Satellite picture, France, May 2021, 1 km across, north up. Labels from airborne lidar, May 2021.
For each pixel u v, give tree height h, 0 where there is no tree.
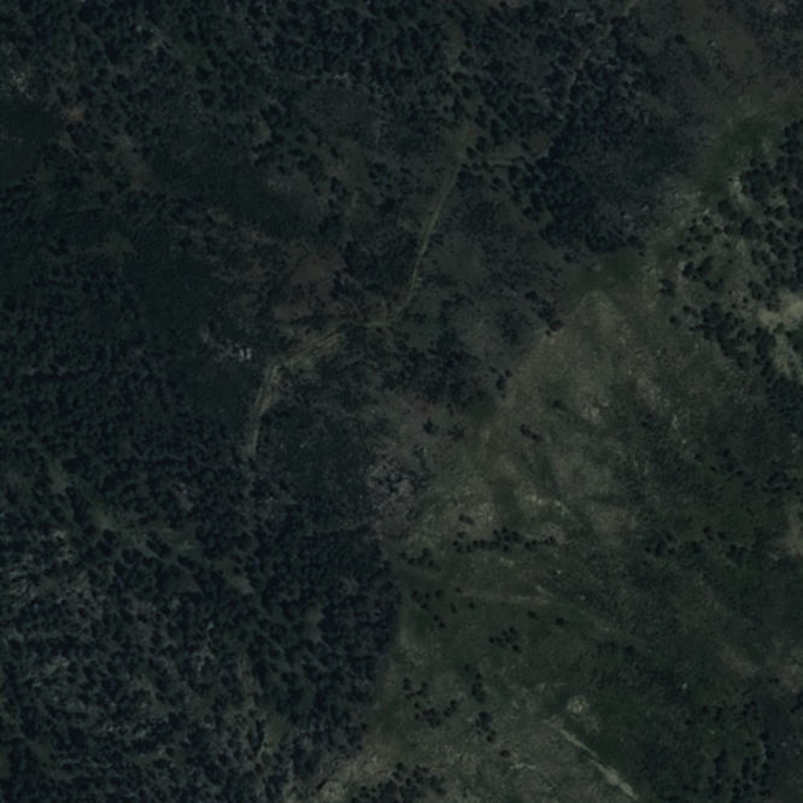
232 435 19
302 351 0
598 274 0
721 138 0
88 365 26
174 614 19
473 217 5
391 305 6
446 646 0
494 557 0
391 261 7
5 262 8
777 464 17
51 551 12
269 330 6
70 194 6
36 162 6
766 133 0
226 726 12
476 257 0
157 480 19
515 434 0
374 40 22
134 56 29
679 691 8
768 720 6
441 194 0
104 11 24
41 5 29
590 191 22
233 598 27
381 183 26
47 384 26
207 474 28
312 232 6
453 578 0
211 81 29
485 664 0
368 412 0
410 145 8
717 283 8
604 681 7
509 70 21
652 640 7
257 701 14
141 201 37
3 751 23
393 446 0
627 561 0
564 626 28
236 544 27
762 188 22
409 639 0
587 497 0
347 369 7
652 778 8
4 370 32
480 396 7
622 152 22
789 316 0
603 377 0
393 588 17
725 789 25
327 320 8
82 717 6
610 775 0
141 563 27
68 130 7
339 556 17
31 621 16
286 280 6
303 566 19
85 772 15
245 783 16
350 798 0
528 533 0
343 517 22
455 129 14
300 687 25
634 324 0
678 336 0
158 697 0
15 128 6
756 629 9
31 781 33
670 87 22
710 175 0
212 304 6
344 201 17
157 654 11
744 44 0
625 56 20
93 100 31
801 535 0
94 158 31
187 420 19
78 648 20
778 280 24
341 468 5
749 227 22
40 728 26
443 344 8
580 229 22
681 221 0
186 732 22
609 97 13
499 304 0
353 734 13
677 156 6
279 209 6
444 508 0
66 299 27
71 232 9
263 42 16
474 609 16
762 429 6
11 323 29
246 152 15
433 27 23
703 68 5
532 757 0
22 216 25
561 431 0
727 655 0
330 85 14
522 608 0
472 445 0
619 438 0
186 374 6
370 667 15
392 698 0
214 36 28
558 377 0
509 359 0
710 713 25
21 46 31
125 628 21
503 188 16
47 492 29
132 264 6
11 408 28
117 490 28
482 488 0
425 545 0
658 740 7
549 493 0
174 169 7
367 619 16
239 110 30
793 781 0
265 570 22
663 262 0
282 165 17
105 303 6
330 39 31
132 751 25
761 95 0
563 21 7
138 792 16
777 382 14
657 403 0
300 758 17
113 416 19
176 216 7
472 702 0
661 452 6
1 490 21
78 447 22
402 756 0
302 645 19
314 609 25
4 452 19
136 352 24
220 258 24
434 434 18
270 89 26
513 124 28
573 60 20
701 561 7
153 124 24
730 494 0
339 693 20
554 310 16
